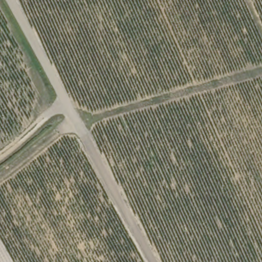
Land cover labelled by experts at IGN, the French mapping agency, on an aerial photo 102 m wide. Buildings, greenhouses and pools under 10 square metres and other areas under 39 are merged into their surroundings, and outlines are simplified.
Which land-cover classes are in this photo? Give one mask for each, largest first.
<instances>
[{"label":"vineyard","instance_id":"1","mask_svg":"<svg viewBox=\"0 0 262 262\"><path fill-rule=\"evenodd\" d=\"M7 4L6 0H0V150L21 133L23 118H28L32 114L34 99L31 83L35 80L30 70L29 56L23 46L11 37L14 30L3 10V6ZM30 26L35 28L46 56L50 63L55 65L65 91L74 101L96 111L105 106L136 99L137 94L144 96L157 92L159 88L169 90L194 80L207 78L212 82L262 68V0H18ZM99 151L104 155L108 167L111 168L116 182L121 183L133 213L137 214L142 223L150 244L156 246L162 262H262V78L228 86L215 93L195 95L189 100L174 101L159 106L156 110L149 108L147 111L107 121L106 125H103L102 120L94 122L88 129ZM0 262H144L113 204L108 201L102 183L76 138L63 136L44 155L33 161L27 170L19 172L15 178L5 181L0 186Z\"/></svg>","mask_w":262,"mask_h":262},{"label":"herbaceous vegetation","instance_id":"2","mask_svg":"<svg viewBox=\"0 0 262 262\"><path fill-rule=\"evenodd\" d=\"M3 10L14 30L11 37L23 46L29 56L30 70L35 80L31 83L34 99L32 114L28 118L30 124H33L54 102L56 93L7 4L3 6ZM262 78V68L212 82L207 78L194 80L169 90L159 88L157 92L144 96L137 94L136 99L105 106L96 111L74 101L75 110L88 129L94 122L102 120L103 125H106L107 121L147 111L149 108L156 110L159 106L174 101L189 100L195 95L215 93L228 86ZM64 116L57 114L0 162V186L5 181L15 178L19 172L27 170L33 161L44 155L63 136L76 138L78 135L74 132L63 135L59 131L57 127L63 122Z\"/></svg>","mask_w":262,"mask_h":262},{"label":"pervious surface","instance_id":"3","mask_svg":"<svg viewBox=\"0 0 262 262\"><path fill-rule=\"evenodd\" d=\"M7 4L56 93L54 102L33 124H30L28 118H23L21 133L0 150V162L57 114L64 116L63 122L57 127L59 131L63 135L74 132L78 135L76 138L102 183L108 201L113 204L144 262H162L156 246L150 244L142 223L137 214L133 213L121 183L116 182L111 168L108 167L104 155L99 151L88 129L75 110L74 101L65 91L55 65L50 63L46 56L35 28L30 26L18 0H6Z\"/></svg>","mask_w":262,"mask_h":262}]
</instances>
